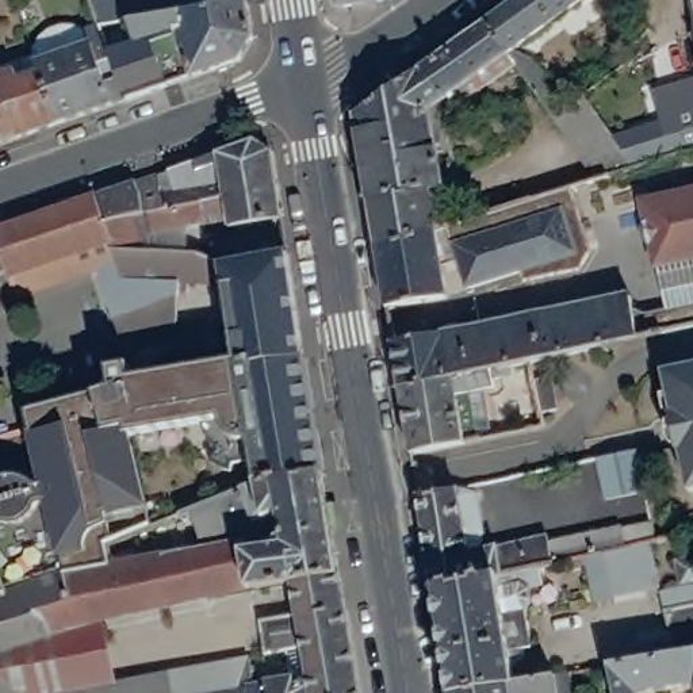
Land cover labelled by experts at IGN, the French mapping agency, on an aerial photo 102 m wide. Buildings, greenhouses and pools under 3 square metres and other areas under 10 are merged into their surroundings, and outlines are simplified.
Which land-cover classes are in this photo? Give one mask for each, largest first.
<instances>
[{"label":"building","instance_id":"1","mask_svg":"<svg viewBox=\"0 0 693 693\"><path fill-rule=\"evenodd\" d=\"M254 46V35L244 32L241 0H200L184 3L179 8L173 5L100 19L95 24L87 22L79 27L68 22L51 24L38 35L30 51V65L24 70H16L11 65L0 68V146L35 135L41 130H54L84 116H95L108 108H122L152 95H162L171 87L211 73H225L233 65L244 62V57ZM384 0H336L338 11H371L379 8ZM571 0H501L487 14L455 30L428 57H420L411 68L384 81L376 92L365 95L357 106H341L347 171L355 189L357 225L363 238L357 254L368 257L371 279L374 284H379L387 309L444 300L439 292L441 271L433 246V225L430 198L436 195L433 187L441 184V154L449 157L455 146L447 135V127L439 119V103L449 100L455 92H479L485 87L493 89L506 73L514 70V79L525 81V89H544V76L552 60L541 54V49L558 35L552 22H560L566 16V5ZM650 89L655 100L652 114L658 116V122L636 125L620 130L617 135L606 130L593 106L582 97L577 111L552 114L531 130L528 138L533 143L558 138L577 157V162H598L609 173L644 162L650 157L669 154L677 146L693 141V79L666 84L661 76H655L650 81ZM284 219V187L273 149L263 146V141H257L254 135H227V141L211 149L200 162L184 160L157 176L116 181L95 192H81L68 200L0 222V287L14 284L35 292L87 276L97 290L100 311H106V317L114 322L119 333H130L154 325H171L179 319L181 311L173 303V282L187 287L206 284L208 292L219 290L225 325L222 355L146 368H125V360H106L100 382L76 393L27 403L24 428H19V441L27 447L32 474L24 476L19 471H0V693H355L352 666L338 663V655L349 652L347 628L344 623H330L333 617H341V601L333 582L341 574V568L336 560V525L328 501L333 474L322 449L317 384L314 368L303 347V319L298 311L295 282L290 276L284 279V268L276 263L282 252L276 246H260L219 257H206V252L187 249V238L200 236L206 225L241 227L254 222L279 225ZM162 428H203V439L217 441V452H208L206 460L203 471L208 474H225L241 463L246 466V479L238 487L222 490L184 509L189 512V528L198 533L195 544L152 550L138 555H111V544L133 536H149V520L143 495L138 493L135 479L127 436L138 439L141 433H157ZM230 593H246L257 604L290 601V612L263 617L254 614L252 644L236 647L241 658L116 679V669L108 663L106 652V644L114 639V631L106 628L108 617L143 609L162 612L173 609V604L181 601L217 598ZM271 655H290L287 674H265L263 679H254L252 666L263 663ZM463 282L485 279L509 268H520L531 276L541 271L577 265L585 254V236L577 227L574 203L566 184L490 206L476 217H466L447 225ZM644 227V252L655 254V271L666 273L674 284L663 287L661 303L666 309L693 303V184L633 195V227ZM639 298L631 295L625 284L620 290H606L596 295L514 309L466 322H449L433 330H409L401 336H384L379 330L376 341L382 344L384 363V395L376 401L379 417H393L395 430L406 436L414 457L436 455L444 449H460L466 436H490L493 420H487L485 384L490 382V376L520 374L522 365H536L547 357H568L590 352V360L596 365L612 371L614 357L631 355L647 344L644 333L636 330ZM658 390L661 411L644 422L650 430L661 441H669L666 452V455H671L679 463L682 479L688 482L685 493L693 495V357L661 363ZM541 403L552 406L555 401L552 390L539 393ZM647 460L633 455V449L593 457V466L598 468L601 479V493L606 501L633 498L636 487L644 482ZM482 495L471 493L468 487L422 490V498H417L414 506L406 509L411 525H417L420 531V541L406 544V552L414 560V582H428V612L433 625L436 655H441L439 677L444 693H571L568 688L558 685V674L552 671L520 677L512 674V658L531 650L528 631L522 609L536 604L531 587L541 582L544 568L566 571L574 566L579 571H587L590 593L612 598L617 593L647 590V596H655L658 604L652 614H661L669 623L663 636L655 642L661 650L609 658L604 663L606 669V693H693V541L688 555L669 560L666 574H674L679 582L671 587L658 585L661 574L652 563L647 541L658 536L655 528L647 522H636L582 531L558 539L531 533L490 544L485 552L471 541L482 533Z\"/></svg>","mask_w":693,"mask_h":693},{"label":"impervious surface","instance_id":"2","mask_svg":"<svg viewBox=\"0 0 693 693\"><path fill-rule=\"evenodd\" d=\"M95 5L100 19L173 5L179 8L184 3L200 0H87ZM501 0H384L379 8L371 11H338L336 0H241L244 32L254 35V46L244 57V62L233 65L225 73H211L171 87L162 95H152L122 108H108L95 116H84L54 130H41L35 135L0 146V222L68 200L81 192H95L116 181L157 176L184 160L200 162L211 149L227 141V135L222 133V125L227 119V111L238 108L241 100L249 106L257 122V130H246L244 135H254L257 141H263V146L273 149L284 187V219L279 225L254 222L241 227L206 225L200 236L187 238V249L206 252V257H219L260 246H276L282 252L276 263L284 268V279L290 276L295 282L298 311L303 319V347L314 368L317 384L322 449L333 474L328 501L336 525V560L341 568V574L333 582L341 601V617H333L330 623H344L347 628L349 652L338 655V663L352 666L355 693H444L439 677L441 655H436L433 625L428 612V582H414V560L406 552V544L420 541V531L417 525H411L406 509L414 506L417 498H422V490L468 487L471 493L482 495V533L471 541L485 552L490 544L531 533L558 539L582 531L636 522H647L655 528V509L650 501L642 504V490L636 487L633 498L606 501L601 493V479L598 468L593 466V457L633 449V455L647 460L650 455L666 452L669 441H661L650 430L614 436L593 447L585 444V436L606 414L617 409L623 387L636 384L639 393H650L652 384L658 390L661 363L693 357V303L666 309L661 303L663 287L674 284L666 273L655 271V254L644 252V227H633V195L693 184V168L669 171L652 179L633 181V187L609 189L598 187L601 179H612L609 173L598 162H577V157L558 138L533 143L528 138L522 146L509 149L506 154L471 171V176L479 181L476 189V198L490 206L566 184L574 203L577 227L585 236V254L577 265L541 271L531 276L520 268H509L485 279L463 282L447 225H433V246L441 271L439 292L444 300L387 309L379 284H374L371 279L368 257L357 254L363 238L357 225L355 189L347 171L341 106H357L365 95L376 92L384 81L411 68L420 57H428L455 30L487 14ZM625 284L631 295L639 298L636 330L644 333L647 344L631 355L614 357L612 371L596 365L590 360V352L568 357V376L563 384H555L552 390L555 401L568 398L571 409L555 428H547L544 411H552V406L541 403L539 393L536 365H522L520 374L490 376V382L485 384L487 420H493L490 436H466L460 449H444L436 455L414 457L406 436L395 430L393 417H379L376 401L384 395V363L382 344L376 341L379 330L384 336H401L409 330H433L449 322H466L514 309L596 295L606 290H620ZM571 460H579L585 466L579 485H571L566 490H528L517 485L520 471L560 466ZM601 19L596 0H571L566 5V16L560 22H552L558 35H574L582 32L590 22ZM647 38L652 43V51L655 76H661L666 84L693 79V0H647ZM173 303L181 311L179 319L171 325H154L130 333H119L114 322L106 317V311H100L97 290L87 276L35 292L14 284L0 287V376H19L32 363H54L60 368L57 379L49 387L35 393L19 390L11 398V406L0 409V471H19L24 476L32 474L27 447L19 441V428H24L27 403L76 393L100 382L106 360H125V368H146L222 355L225 325L219 290L208 292L206 284L187 287L173 282ZM14 306L38 309L41 336L35 341H16L11 336L5 309ZM203 428H162L157 433H141L138 439L141 449H162L176 447L184 463L206 460L208 452H217V441L203 439ZM198 533L189 528V512L184 509H179L165 520H149V536H133L111 544V555H138L152 550L195 544ZM590 598L596 601L593 609H582V614L577 617L552 620L541 631H528L531 650L512 658V674L520 677L552 671L558 674V685L568 688L571 677L585 674V669H606L604 663L609 658L661 650L655 642L663 636L669 623L661 614H652L658 604L655 596H647V590L617 593L612 598L590 593ZM290 612V601L257 604L246 593H230L217 598L181 601L173 604V609L162 612L143 609L108 617L106 628L114 631V639L106 644V652L108 663L116 669V679L241 658L236 647L252 644L254 614L263 617ZM290 655H271L263 663L252 666L254 679H263L265 674H287Z\"/></svg>","mask_w":693,"mask_h":693},{"label":"deciduous trees","instance_id":"3","mask_svg":"<svg viewBox=\"0 0 693 693\"><path fill-rule=\"evenodd\" d=\"M601 19L590 22L582 32L574 35L571 43L579 70L568 79H560L555 92L547 95L552 114L577 111L582 97V87L596 84L601 73L614 76L620 62L652 51V43L647 38V0H596ZM493 89L485 87L479 92H455L449 100L439 103V119L447 127V135L455 146L449 157L452 162L471 171L506 154L509 149L522 146L528 138L531 130V114L525 100H498L493 97ZM246 130H257V122L249 106L241 100L238 108L227 111V119L222 125V133L227 135H244ZM693 168V141L677 146L669 154L650 157L644 162L609 173L612 179H601L598 187L609 189L633 187V181L652 179L669 171ZM436 195L430 198L433 225H447L466 217H476L490 206L476 198V189L455 187L441 179V184L433 187ZM11 336L16 341H35L41 336L38 309L14 306L5 309ZM568 357H547L536 365L539 393L552 390L555 384H563L568 376ZM60 368L54 363H32L19 376H0V409L11 406V398L19 390L35 393L49 387L57 379ZM135 479L141 474L157 471V466L165 457L162 449H141L138 439L127 436ZM636 487L642 490V504L650 501L655 509V528L671 517L674 504L679 501L666 455V452L650 455L647 460L644 482ZM585 466L579 460H571L560 466L520 471L517 485L528 490H566L571 485H579ZM149 520H165L179 509L173 506V493L143 495ZM669 560L688 555L693 541V525L682 522L677 531L666 536ZM606 669H585V674L571 677L568 688L571 693H606Z\"/></svg>","mask_w":693,"mask_h":693},{"label":"herbaceous vegetation","instance_id":"4","mask_svg":"<svg viewBox=\"0 0 693 693\"><path fill-rule=\"evenodd\" d=\"M100 19L95 5L87 0H0V68L11 65L16 70H24L30 65V51L38 35L51 24L68 22L79 27L87 22L95 24ZM574 35H558L541 49V54L552 60L544 76V89H525V81L514 79V70L506 73L493 89V97L498 100H525L531 114V130L552 114L547 95L555 92L560 79H568L579 70L571 43ZM655 76L652 51L620 62L614 76L601 73L596 84L582 87V97L593 106L606 130L617 135L620 130L636 125L658 122V116L652 114L655 100L650 89V81ZM441 179L455 187L476 189L479 181L471 176V171L452 162L449 157L441 154ZM661 411L658 390L652 384L650 393H639L636 384L623 387L617 409L606 414L585 436V444L593 447L614 436L650 430L644 422ZM571 409L568 398L555 401L552 406V411H544L547 428H555ZM162 449L165 457L157 466V471L141 474L135 479L138 493L143 495L173 493V506L179 509H184L222 490L238 487L246 479V466L241 463L225 474H208L203 471L206 460L184 463L176 447ZM679 501L693 506V495L685 493L688 482L682 479L679 463L671 455H666ZM652 563L661 574L658 585L671 587L679 582L674 574H666L669 560L666 536H658L647 541ZM536 604L522 609L528 631H541L552 620L577 617L582 614V609H593L596 601L590 598V593L587 571H579L574 566L566 571L544 568L541 582L531 587Z\"/></svg>","mask_w":693,"mask_h":693},{"label":"brushwood","instance_id":"5","mask_svg":"<svg viewBox=\"0 0 693 693\"><path fill-rule=\"evenodd\" d=\"M682 522L693 525V506L679 501L674 504L671 517L655 528L658 536H666L677 531Z\"/></svg>","mask_w":693,"mask_h":693}]
</instances>
